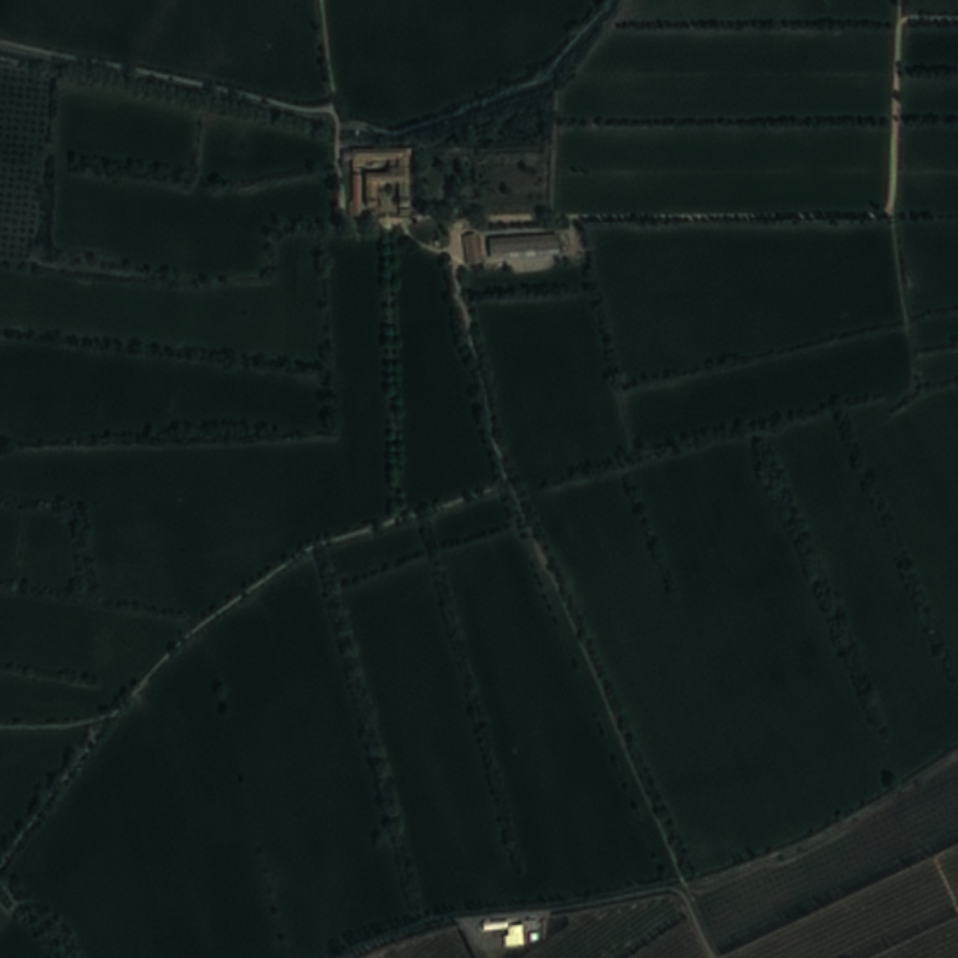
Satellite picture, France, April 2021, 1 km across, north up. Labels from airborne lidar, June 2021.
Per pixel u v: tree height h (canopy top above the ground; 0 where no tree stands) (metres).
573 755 0
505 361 0
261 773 0
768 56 0
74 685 10
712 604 0
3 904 6
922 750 0
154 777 0
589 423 0
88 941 0
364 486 0
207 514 0
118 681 0
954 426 0
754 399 0
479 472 0
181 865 0
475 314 9
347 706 0
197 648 0
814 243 0
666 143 0
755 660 0
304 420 0
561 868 0
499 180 0
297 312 0
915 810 0
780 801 0
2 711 0
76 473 0
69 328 0
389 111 0
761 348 0
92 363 0
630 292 0
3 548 0
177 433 15
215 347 0
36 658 0
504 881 0
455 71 0
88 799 0
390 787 15
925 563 0
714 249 0
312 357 0
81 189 0
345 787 0
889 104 0
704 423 0
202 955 0
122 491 0
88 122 0
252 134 0
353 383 0
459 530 0
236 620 0
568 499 0
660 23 7
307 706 0
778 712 0
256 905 0
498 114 8
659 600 0
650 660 0
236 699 0
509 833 11
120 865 0
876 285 0
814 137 0
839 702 0
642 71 0
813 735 0
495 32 0
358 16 0
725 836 0
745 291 0
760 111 0
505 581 0
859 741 0
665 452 11
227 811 0
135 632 0
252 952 0
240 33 0
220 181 10
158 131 0
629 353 0
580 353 0
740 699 0
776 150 0
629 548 0
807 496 0
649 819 0
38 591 6
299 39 0
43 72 11
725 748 0
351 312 0
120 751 0
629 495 12
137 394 0
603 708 0
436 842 0
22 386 0
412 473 0
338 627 12
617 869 0
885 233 0
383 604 0
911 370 0
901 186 0
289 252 0
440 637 0
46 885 0
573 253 0
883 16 0
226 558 0
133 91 20
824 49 0
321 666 0
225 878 0
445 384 0
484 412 15
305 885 0
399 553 0
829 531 0
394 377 10
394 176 0
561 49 7
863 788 0
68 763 12
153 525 0
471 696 11
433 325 0
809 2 0
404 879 11
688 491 0
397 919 0
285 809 0
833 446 0
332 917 0
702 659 0
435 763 0
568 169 0
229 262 0
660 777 0
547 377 0
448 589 9
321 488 0
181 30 0
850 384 0
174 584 0
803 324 0
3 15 0
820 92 0
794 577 0
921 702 0
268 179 6
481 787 0
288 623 0
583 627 8
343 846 0
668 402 0
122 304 0
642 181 0
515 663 0
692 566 0
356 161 0
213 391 0
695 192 0
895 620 0
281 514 0
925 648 0
